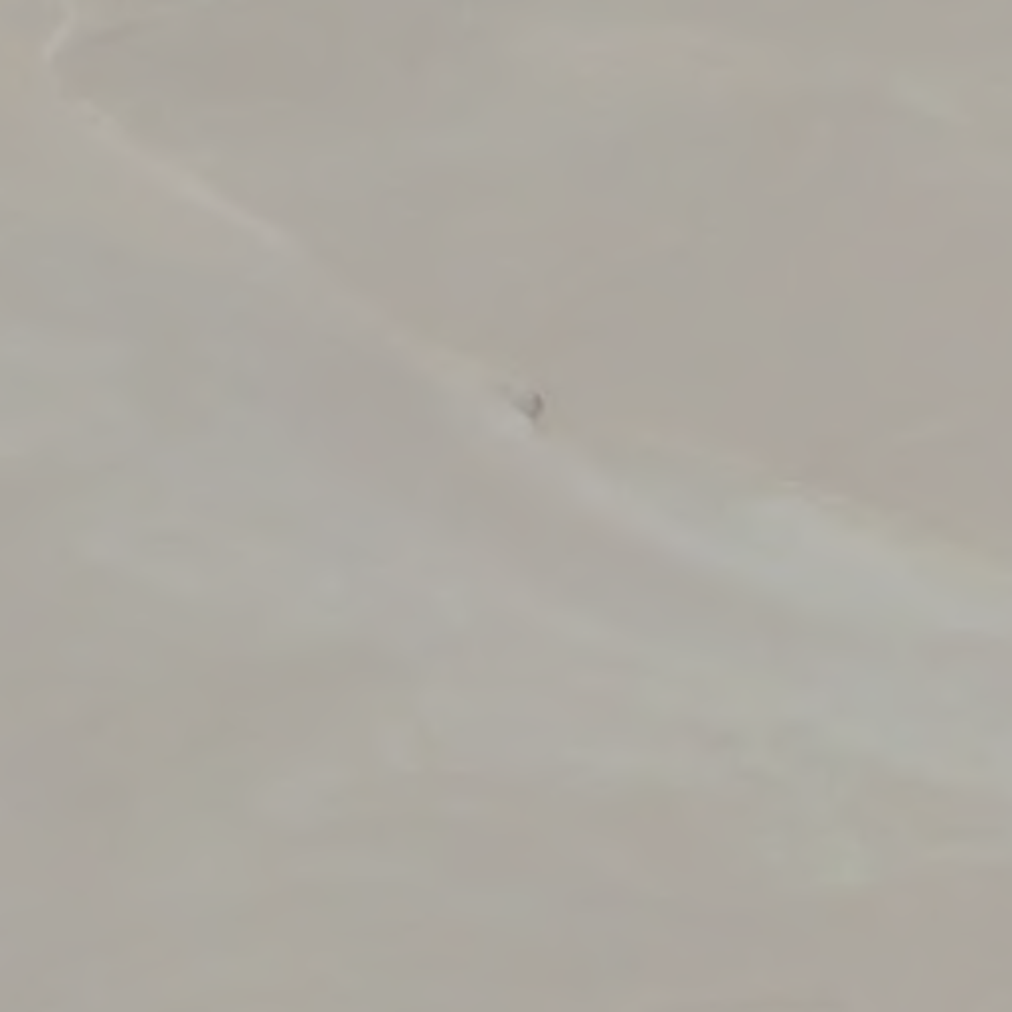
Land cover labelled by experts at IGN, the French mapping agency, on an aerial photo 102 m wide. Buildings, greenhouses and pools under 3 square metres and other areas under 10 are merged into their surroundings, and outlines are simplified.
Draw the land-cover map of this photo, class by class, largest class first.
<instances>
[{"label":"bare soil","instance_id":"1","mask_svg":"<svg viewBox=\"0 0 1012 1012\"><path fill-rule=\"evenodd\" d=\"M0 1012H1012V0H0Z\"/></svg>","mask_w":1012,"mask_h":1012}]
</instances>
